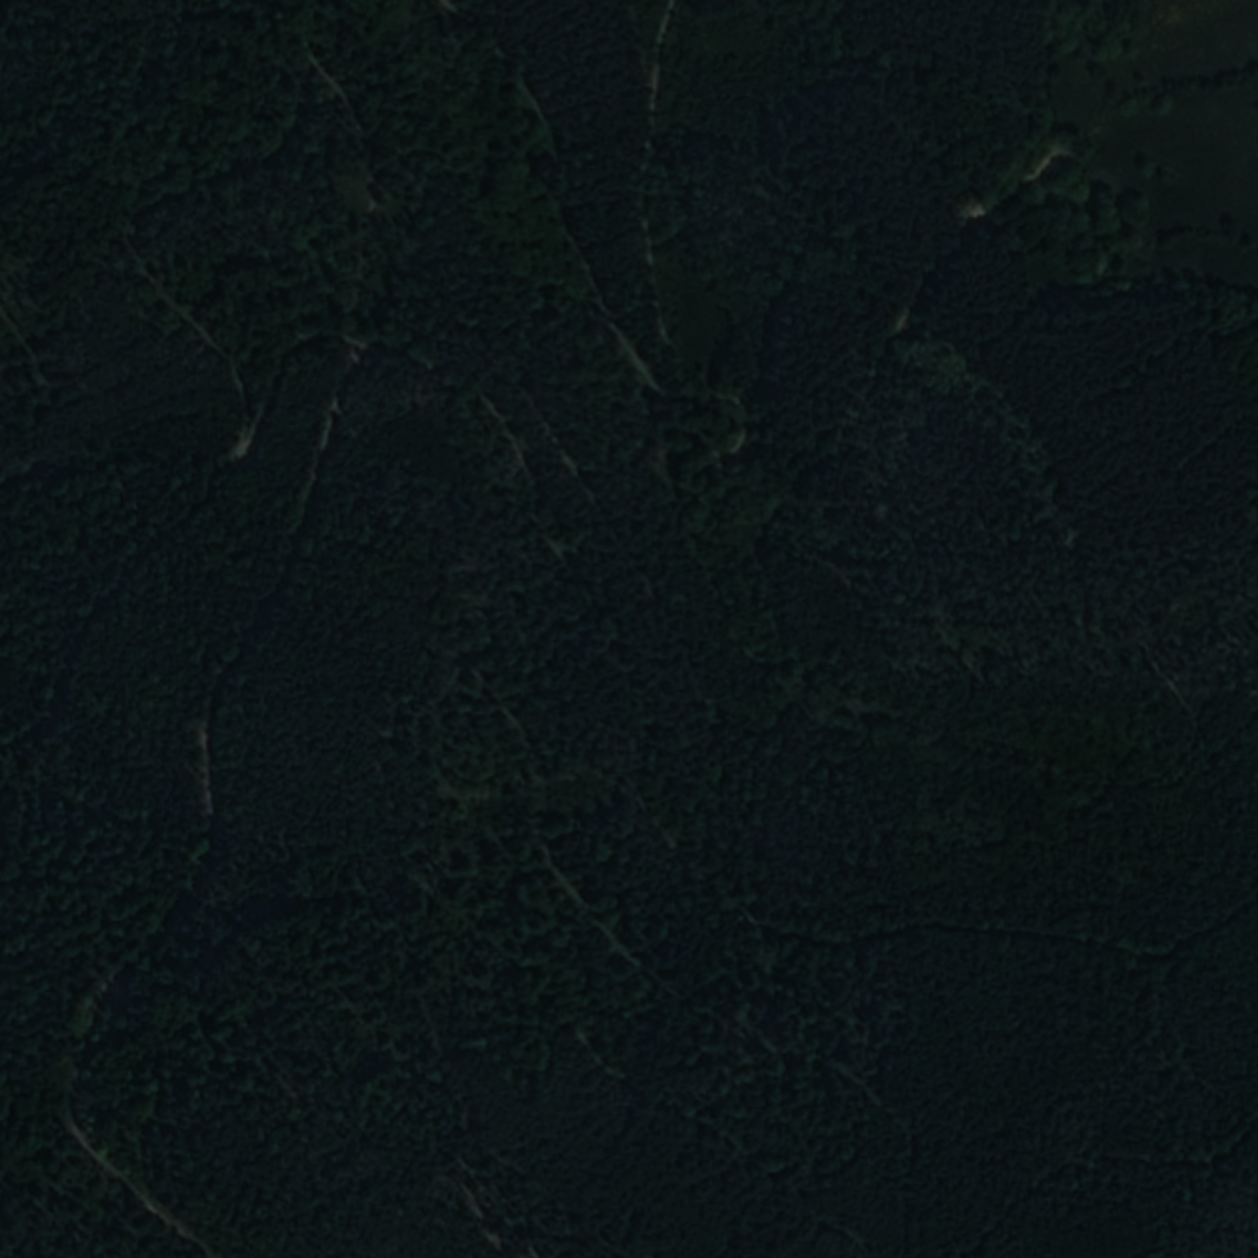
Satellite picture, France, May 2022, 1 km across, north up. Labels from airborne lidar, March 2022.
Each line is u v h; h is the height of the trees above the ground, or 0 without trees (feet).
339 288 78
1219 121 0
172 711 59
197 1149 82
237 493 62
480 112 26
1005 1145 47
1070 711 55
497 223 96
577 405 68
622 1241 68
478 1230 60
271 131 86
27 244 63
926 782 54
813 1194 60
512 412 80
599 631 88
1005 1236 31
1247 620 21
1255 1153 70
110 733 74
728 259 97
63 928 92
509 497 61
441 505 63
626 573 94
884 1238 57
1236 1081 57
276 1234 71
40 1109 31
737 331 53
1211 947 50
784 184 78
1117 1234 42
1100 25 48
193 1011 51
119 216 61
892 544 50
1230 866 64
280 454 42
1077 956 45
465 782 51
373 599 67
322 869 90
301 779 59
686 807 71
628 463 83
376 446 50
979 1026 51
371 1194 69
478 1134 66
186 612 72
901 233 95
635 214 82
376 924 28
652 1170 70
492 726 61
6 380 50
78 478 91
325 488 38
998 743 39
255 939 94
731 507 55
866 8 95
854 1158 74
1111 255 28
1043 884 38
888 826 45
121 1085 68
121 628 56
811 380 81
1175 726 56
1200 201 0
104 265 67
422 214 85
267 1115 81
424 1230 63
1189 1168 37
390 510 54
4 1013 91
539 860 61
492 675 62
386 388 63
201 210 67
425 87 30
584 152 79
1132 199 41
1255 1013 54
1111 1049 55
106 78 82
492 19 70
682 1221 50
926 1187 58
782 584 60
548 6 75
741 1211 89
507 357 87
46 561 80
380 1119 63
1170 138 0
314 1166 69
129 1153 30
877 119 96
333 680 61
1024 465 63
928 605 85
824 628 34
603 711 60
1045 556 64
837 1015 43
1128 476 100
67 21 56
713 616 59
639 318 81
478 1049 48
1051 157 0
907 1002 59
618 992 68
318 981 90
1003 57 90
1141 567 71
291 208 76
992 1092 51
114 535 53
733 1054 99
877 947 61
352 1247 68
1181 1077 56
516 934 102
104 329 67
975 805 49
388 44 26
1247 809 54
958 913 64
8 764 52
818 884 94
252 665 60
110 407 78
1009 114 89
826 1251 62
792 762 92
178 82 88
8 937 98
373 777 55
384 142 77
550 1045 61
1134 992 44
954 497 66
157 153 84
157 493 87
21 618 70
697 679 76
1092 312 96
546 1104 52
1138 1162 41
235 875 97
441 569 90
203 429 51
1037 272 0
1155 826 42
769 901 99
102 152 87
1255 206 0
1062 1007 45
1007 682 96
